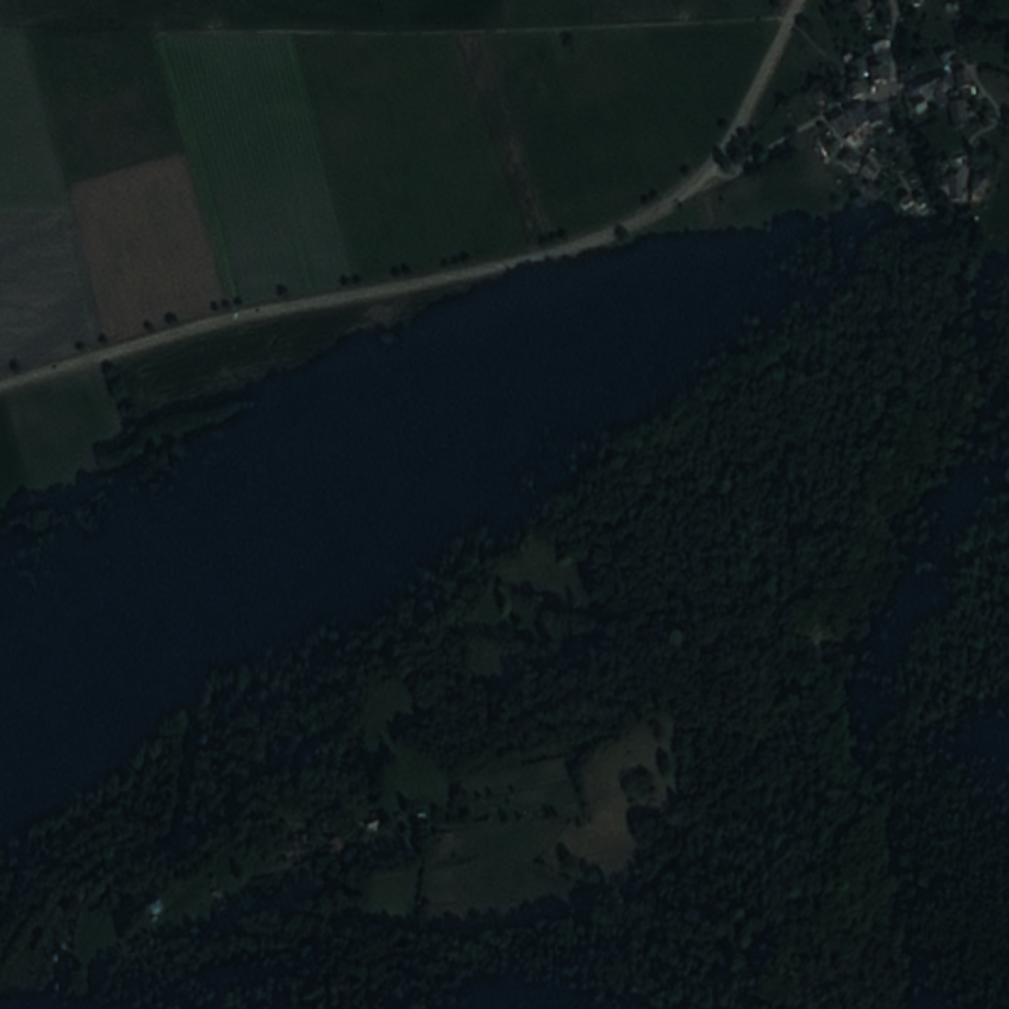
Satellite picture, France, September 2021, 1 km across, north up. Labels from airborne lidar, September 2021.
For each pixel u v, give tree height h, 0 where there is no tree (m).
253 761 28
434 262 0
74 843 17
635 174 0
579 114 0
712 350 31
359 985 19
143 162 0
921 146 21
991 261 0
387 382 21
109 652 31
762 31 0
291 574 25
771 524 25
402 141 0
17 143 0
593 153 0
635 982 27
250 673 31
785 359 17
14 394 0
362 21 0
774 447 21
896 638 18
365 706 7
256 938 15
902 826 33
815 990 28
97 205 0
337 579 16
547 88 0
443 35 0
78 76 0
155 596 24
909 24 7
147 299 0
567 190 0
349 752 16
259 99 0
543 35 0
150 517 18
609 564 22
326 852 7
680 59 0
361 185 0
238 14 0
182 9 0
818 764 20
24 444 0
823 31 0
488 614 0
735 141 9
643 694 18
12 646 30
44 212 0
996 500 38
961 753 10
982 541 21
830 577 20
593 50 0
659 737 18
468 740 24
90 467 0
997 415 40
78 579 21
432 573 31
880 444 17
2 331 0
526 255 0
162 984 19
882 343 29
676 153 0
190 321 0
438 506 27
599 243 0
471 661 19
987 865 22
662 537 32
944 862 27
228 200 0
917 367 24
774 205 0
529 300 0
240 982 12
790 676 26
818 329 16
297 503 31
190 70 0
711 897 15
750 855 22
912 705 26
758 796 22
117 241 0
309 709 38
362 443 14
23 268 0
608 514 24
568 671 25
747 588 22
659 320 30
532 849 0
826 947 24
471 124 0
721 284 33
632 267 0
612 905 29
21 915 15
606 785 0
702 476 20
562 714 27
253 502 31
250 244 0
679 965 29
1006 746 16
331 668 31
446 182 0
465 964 25
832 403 20
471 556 32
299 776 29
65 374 0
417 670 17
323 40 0
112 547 24
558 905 0
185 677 28
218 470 29
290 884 0
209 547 32
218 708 15
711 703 19
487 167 0
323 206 0
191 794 14
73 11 0
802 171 0
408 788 0
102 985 20
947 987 29
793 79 0
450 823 7
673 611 23
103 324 0
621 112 0
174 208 0
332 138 0
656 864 18
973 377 34
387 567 30
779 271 30
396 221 0
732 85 0
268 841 22
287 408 28
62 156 0
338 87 0
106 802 13
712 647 17
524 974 21
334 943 22
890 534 29
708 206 0
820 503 23
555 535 15
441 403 30
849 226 0
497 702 18
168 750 13
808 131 0
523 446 27
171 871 13
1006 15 0
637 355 34
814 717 25
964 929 19
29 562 27
